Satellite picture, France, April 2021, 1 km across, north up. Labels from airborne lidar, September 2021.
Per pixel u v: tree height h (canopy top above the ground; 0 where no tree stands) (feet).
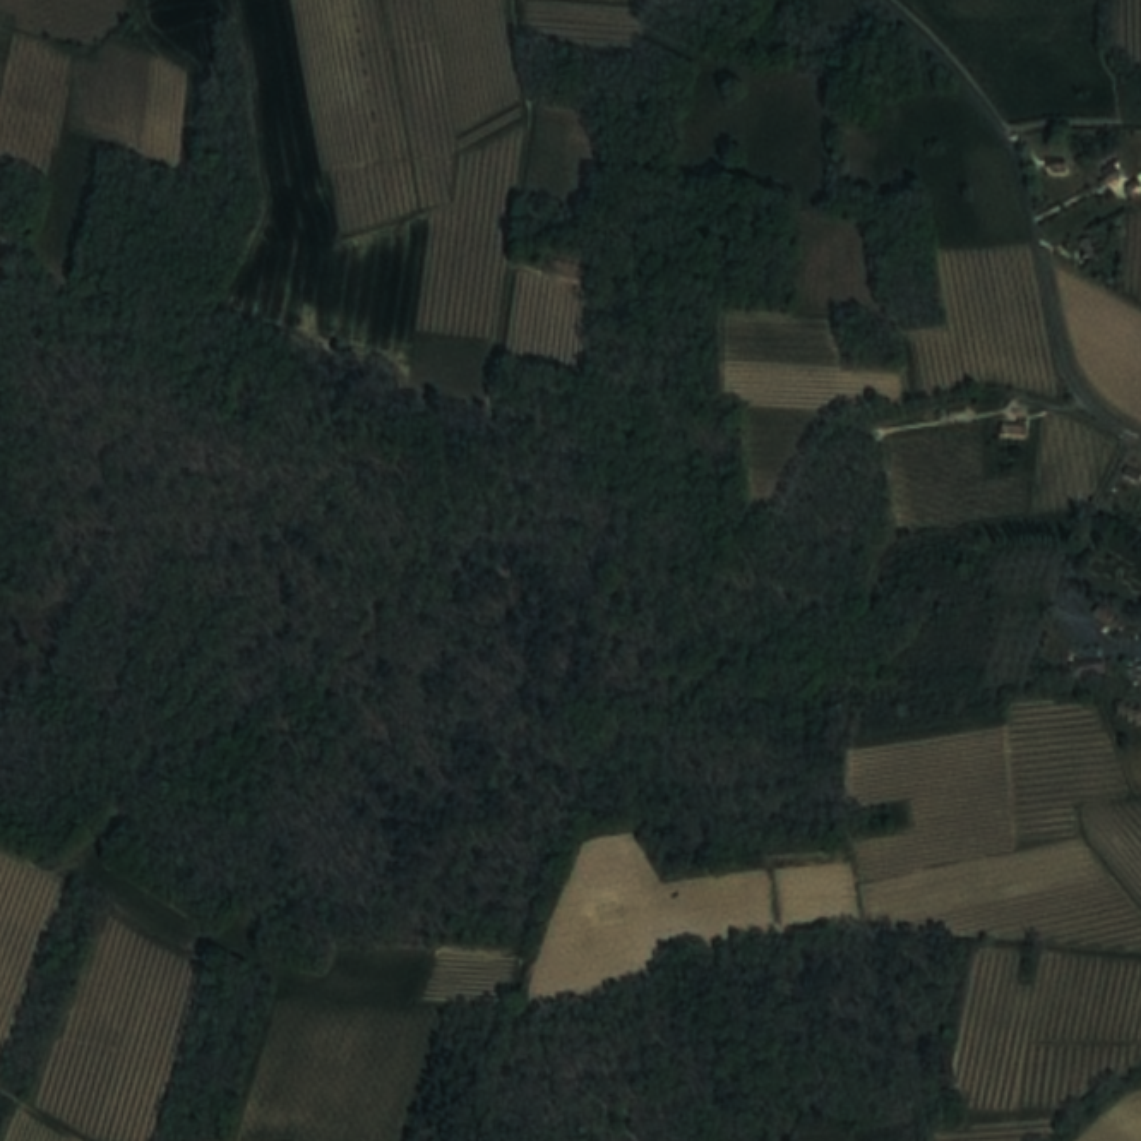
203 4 0
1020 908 0
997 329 0
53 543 73
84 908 57
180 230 73
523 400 61
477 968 0
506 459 54
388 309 0
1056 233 0
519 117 0
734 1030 69
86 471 49
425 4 0
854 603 78
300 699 72
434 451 83
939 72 57
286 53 0
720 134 0
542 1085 37
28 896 0
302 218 0
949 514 0
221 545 50
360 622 56
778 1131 56
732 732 62
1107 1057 0
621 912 0
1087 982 0
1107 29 58
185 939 0
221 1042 63
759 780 37
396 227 0
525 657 65
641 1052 47
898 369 61
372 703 56
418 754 52
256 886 68
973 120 0
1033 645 48
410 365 0
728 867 60
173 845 60
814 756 80
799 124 0
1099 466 0
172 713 73
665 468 65
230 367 75
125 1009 0
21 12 0
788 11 46
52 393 47
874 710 36
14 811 69
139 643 59
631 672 74
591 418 74
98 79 0
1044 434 0
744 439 45
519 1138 58
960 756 0
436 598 60
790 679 70
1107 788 0
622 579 65
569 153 0
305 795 70
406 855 76
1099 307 0
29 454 57
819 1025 58
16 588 75
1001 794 0
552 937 0
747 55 57
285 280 0
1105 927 0
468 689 63
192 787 62
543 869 51
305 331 0
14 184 71
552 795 62
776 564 66
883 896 0
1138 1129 0
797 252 63
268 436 50
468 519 60
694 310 67
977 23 0
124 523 55
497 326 0
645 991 63
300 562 35
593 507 75
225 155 63
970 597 20
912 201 78
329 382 34
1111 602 27
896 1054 72
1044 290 0
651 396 57
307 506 48
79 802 72
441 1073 51
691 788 64
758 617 73
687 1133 70
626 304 70
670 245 94
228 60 64
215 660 56
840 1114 49
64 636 66
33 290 67
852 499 62
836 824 73
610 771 60
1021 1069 0
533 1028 56
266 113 0
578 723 65
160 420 47
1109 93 0
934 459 0
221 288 75
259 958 56
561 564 67
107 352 62
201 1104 74
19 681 25
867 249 32
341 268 0
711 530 90
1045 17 0
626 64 63
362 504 64
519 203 53
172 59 0
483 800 52
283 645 61
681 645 85
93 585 58
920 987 77
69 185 0
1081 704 43
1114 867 0
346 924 71
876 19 46
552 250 73
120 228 58
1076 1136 25
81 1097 0
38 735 50
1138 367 0
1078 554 38
